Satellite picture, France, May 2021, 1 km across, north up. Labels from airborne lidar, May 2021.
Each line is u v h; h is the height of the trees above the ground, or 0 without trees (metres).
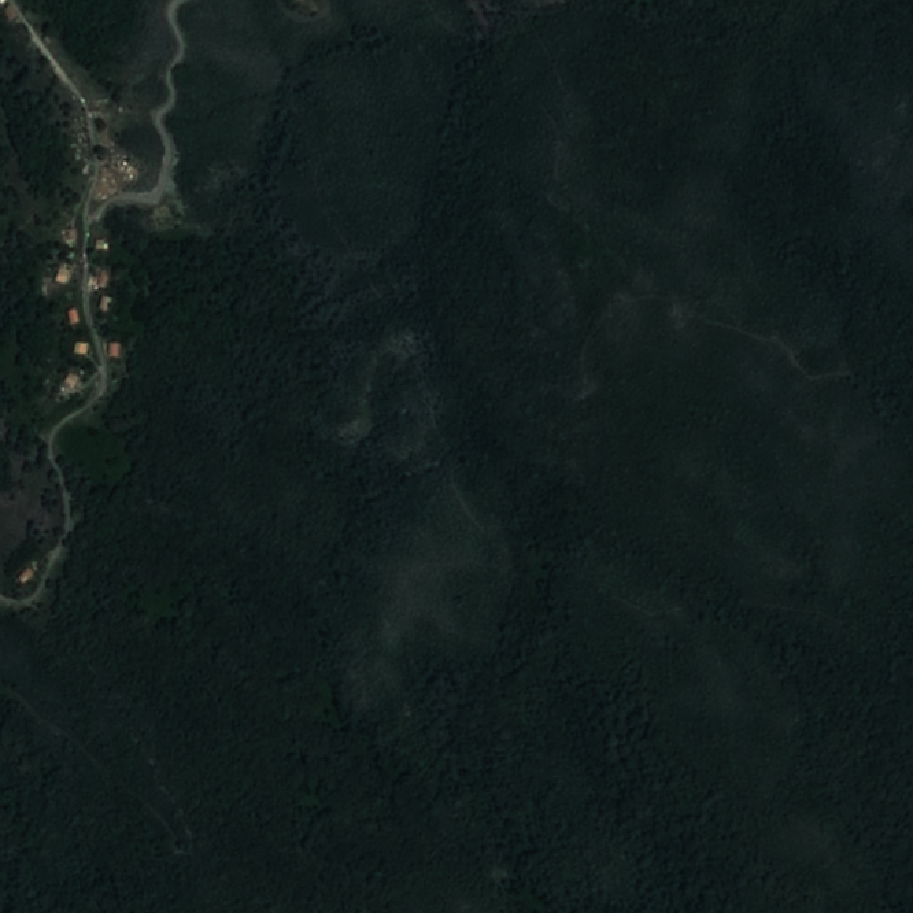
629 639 6
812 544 10
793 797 10
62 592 14
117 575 19
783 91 12
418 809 13
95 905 14
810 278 10
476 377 11
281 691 21
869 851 14
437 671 11
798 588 12
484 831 14
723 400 6
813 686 14
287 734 20
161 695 16
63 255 13
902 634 14
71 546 10
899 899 16
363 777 25
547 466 6
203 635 21
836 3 9
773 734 8
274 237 8
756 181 10
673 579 10
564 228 7
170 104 0
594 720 15
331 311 12
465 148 12
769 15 8
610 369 6
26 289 14
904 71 6
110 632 15
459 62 7
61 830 7
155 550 16
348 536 13
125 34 9
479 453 10
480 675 15
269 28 5
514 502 8
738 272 7
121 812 12
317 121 6
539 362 8
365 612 6
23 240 17
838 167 10
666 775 8
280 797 19
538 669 7
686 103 11
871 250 7
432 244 9
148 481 22
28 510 0
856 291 9
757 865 13
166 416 16
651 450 7
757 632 9
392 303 7
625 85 10
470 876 12
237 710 13
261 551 15
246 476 10
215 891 8
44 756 13
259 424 21
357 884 17
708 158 7
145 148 0
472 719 19
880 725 14
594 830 6
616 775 17
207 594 18
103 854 16
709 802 15
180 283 16
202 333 14
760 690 8
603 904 13
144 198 0
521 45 6
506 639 10
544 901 16
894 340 7
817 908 6
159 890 10
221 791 14
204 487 9
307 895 14
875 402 13
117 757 6
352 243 5
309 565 10
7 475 6
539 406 5
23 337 16
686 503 6
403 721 8
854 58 6
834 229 11
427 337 17
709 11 14
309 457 12
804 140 14
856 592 9
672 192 6
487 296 8
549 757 21
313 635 24
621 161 9
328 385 8
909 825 10
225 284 19
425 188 7
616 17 15
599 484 6
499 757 14
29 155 14
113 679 10
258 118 6
